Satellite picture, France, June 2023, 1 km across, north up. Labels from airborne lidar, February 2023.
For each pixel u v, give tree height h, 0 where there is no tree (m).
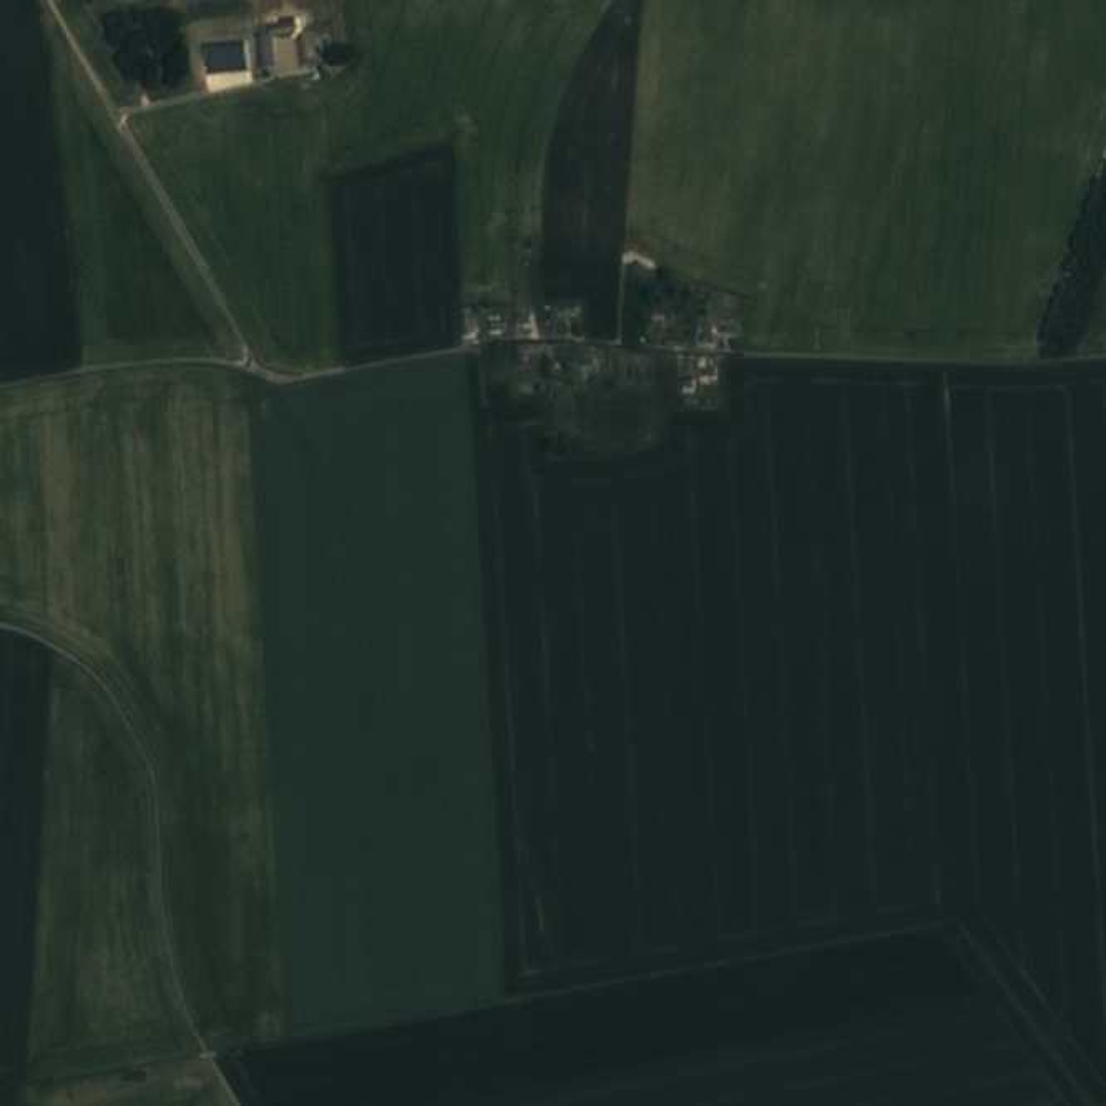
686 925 0
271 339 0
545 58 0
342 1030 0
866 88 0
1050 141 0
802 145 0
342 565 0
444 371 0
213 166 0
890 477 0
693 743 0
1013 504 0
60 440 0
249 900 0
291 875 0
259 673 0
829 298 0
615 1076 0
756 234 0
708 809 0
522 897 0
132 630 0
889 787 0
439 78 0
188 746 0
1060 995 0
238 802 0
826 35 0
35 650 0
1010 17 0
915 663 0
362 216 0
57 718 0
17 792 0
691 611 0
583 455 0
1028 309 0
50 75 0
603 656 0
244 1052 0
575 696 0
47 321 0
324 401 0
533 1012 0
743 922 0
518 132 0
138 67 19
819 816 0
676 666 0
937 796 0
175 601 0
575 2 0
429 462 0
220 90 0
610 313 0
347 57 20
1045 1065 0
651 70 0
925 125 0
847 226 0
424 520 0
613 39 0
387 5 0
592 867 0
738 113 0
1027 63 0
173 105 0
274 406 0
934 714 0
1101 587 0
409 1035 0
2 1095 0
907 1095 0
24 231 0
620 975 0
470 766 0
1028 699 0
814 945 0
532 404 0
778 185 0
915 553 0
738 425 0
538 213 0
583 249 0
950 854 0
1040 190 0
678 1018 0
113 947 0
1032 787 0
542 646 0
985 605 0
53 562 0
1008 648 0
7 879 0
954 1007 0
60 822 0
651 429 0
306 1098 0
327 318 0
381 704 0
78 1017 0
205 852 0
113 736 0
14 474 0
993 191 0
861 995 0
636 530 0
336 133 0
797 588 0
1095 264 17
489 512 0
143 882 0
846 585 0
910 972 0
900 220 0
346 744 0
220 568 0
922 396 0
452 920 0
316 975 0
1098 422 0
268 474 0
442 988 0
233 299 0
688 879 0
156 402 0
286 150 0
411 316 0
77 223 0
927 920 0
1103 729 0
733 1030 0
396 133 0
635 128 0
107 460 0
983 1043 0
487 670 0
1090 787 0
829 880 0
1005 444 0
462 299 0
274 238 0
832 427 0
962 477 0
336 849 0
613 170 0
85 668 0
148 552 0
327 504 0
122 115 0
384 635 0
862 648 0
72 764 0
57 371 0
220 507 0
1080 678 0
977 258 0
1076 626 0
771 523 0
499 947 0
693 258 0
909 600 0
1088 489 0
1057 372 0
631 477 0
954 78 0
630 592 0
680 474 0
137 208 0
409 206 0
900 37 0
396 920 0
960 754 0
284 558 0
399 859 0
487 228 0
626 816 0
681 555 0
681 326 0
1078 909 0
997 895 0
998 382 0
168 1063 0
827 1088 0
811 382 0
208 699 0
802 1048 0
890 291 0
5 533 0
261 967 0
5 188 0
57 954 0
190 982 0
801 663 0
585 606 0
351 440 0
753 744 0
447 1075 0
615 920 0
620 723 0
